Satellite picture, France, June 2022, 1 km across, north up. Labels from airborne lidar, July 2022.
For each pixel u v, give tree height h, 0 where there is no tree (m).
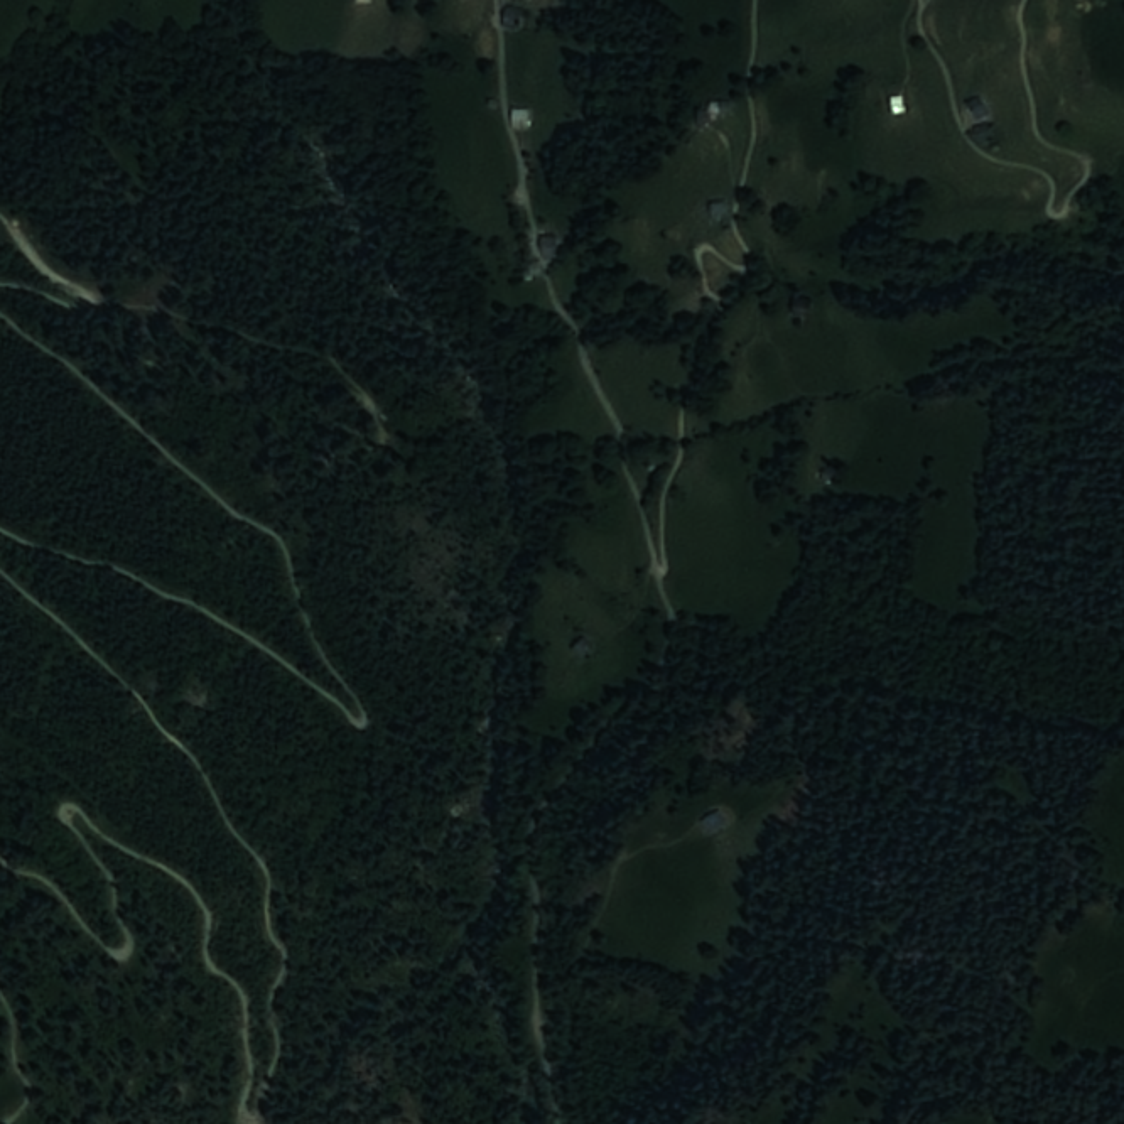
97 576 7
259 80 20
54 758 12
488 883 12
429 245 19
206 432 11
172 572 12
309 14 0
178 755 13
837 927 21
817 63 0
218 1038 11
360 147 29
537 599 14
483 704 10
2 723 10
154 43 17
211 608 7
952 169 0
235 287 25
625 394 0
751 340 0
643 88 27
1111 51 0
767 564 0
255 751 10
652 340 19
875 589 17
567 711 0
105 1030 9
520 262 6
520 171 0
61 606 15
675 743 14
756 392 0
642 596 0
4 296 9
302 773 10
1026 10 0
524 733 10
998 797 29
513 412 20
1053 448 22
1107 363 19
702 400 16
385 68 17
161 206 25
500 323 7
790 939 24
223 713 10
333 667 9
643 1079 9
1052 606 31
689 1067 12
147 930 28
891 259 14
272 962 6
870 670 14
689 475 0
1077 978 0
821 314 0
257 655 17
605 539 0
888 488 0
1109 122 0
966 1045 31
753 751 13
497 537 12
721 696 22
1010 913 21
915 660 21
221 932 8
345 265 30
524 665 25
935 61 0
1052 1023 0
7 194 21
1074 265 7
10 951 12
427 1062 35
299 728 18
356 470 17
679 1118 10
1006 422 16
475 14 0
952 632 20
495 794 15
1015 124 0
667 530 0
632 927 0
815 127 0
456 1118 11
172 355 27
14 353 11
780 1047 24
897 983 31
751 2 0
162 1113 25
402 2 14
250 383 10
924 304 32
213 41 20
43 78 18
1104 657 12
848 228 0
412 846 9
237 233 6
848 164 0
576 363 0
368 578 13
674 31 26
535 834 8
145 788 9
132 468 15
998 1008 21
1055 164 0
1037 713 11
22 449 20
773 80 18
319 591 12
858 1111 0
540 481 19
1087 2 0
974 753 10
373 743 11
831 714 21
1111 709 13
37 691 10
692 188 0
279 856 8
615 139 30
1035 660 17
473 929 8
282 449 29
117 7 0
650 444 16
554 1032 13
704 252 0
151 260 11
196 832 11
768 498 23
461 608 25
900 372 0
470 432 10
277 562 6
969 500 0
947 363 19
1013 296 17
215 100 17
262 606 13
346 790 13
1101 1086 23
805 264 0
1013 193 0
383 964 36
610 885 0
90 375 10
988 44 0
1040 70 0
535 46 0
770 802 0
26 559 9
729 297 21
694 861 0
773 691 16
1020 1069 29
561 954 17
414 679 8
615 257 19
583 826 11
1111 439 26
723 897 0
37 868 9
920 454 0
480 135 0
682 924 0
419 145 23
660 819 0
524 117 0
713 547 0
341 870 5
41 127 21
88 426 10
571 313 15
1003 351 23
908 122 0
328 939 14
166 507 15
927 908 33
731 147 0
